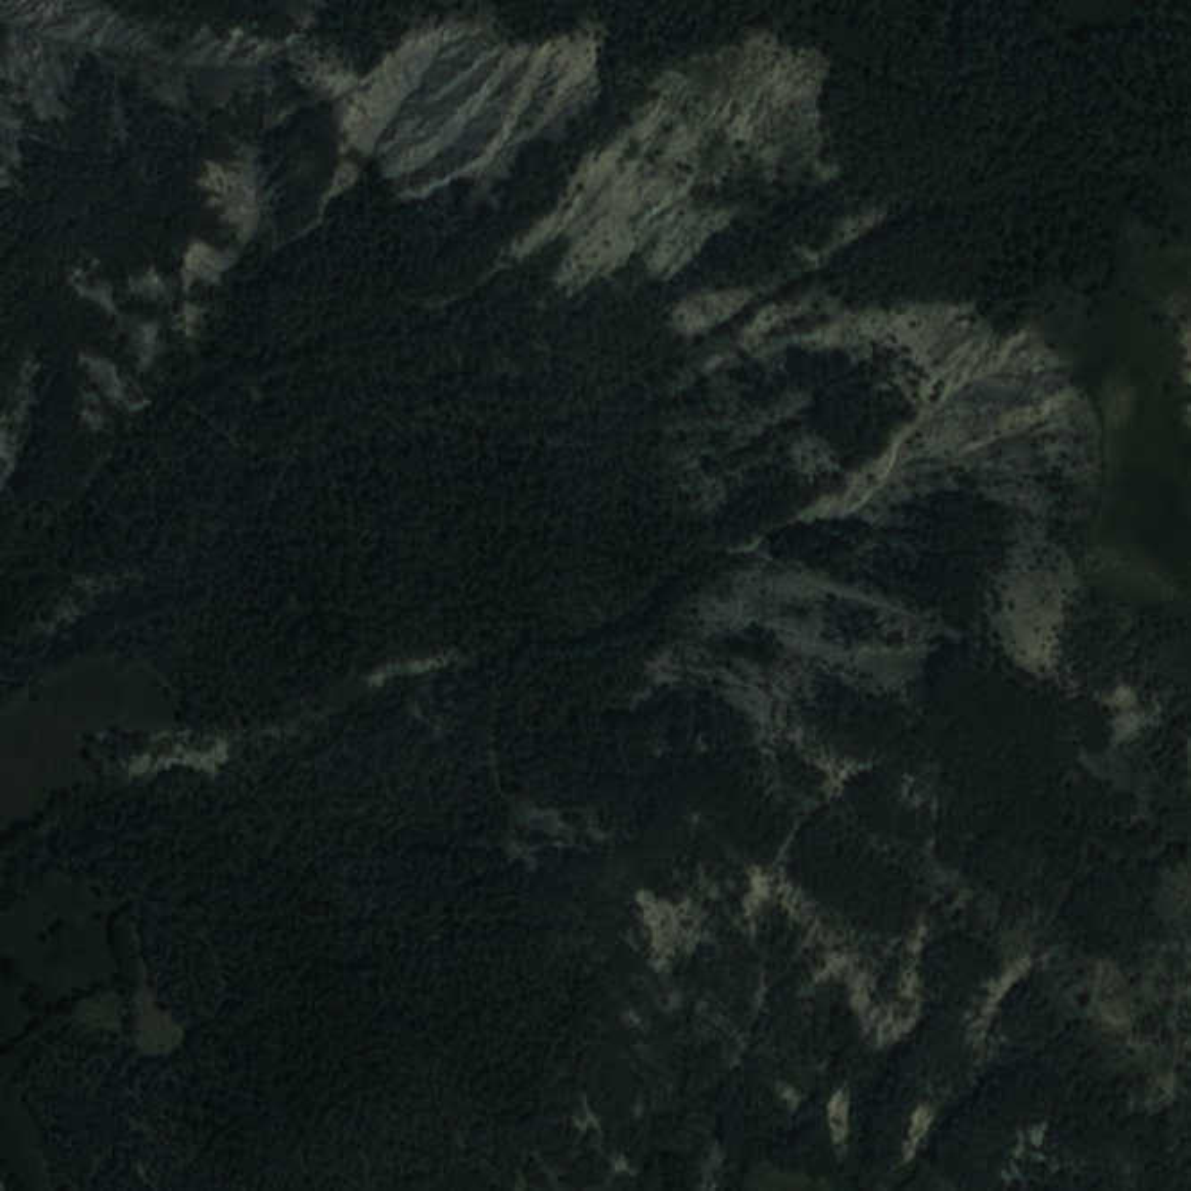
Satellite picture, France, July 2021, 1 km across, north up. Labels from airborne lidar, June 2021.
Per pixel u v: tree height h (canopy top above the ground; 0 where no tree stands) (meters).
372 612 25
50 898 0
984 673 15
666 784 19
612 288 13
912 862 12
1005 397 0
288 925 23
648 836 12
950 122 24
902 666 0
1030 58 23
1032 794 17
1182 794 11
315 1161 13
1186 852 15
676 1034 11
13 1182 14
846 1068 14
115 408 7
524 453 23
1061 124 12
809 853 17
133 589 8
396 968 23
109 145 8
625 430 18
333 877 28
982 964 15
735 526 20
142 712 0
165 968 11
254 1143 17
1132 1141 16
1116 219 0
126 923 16
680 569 8
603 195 0
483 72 0
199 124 8
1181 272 0
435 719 8
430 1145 14
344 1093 19
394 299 11
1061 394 0
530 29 11
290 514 20
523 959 17
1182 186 0
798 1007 11
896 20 22
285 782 13
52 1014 17
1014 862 10
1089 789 16
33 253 12
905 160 23
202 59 0
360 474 14
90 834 20
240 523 22
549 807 7
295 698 18
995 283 19
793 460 9
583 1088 9
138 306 12
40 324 16
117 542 17
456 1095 16
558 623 16
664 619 18
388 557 17
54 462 11
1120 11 0
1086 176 20
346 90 0
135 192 12
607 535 14
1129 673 8
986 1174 11
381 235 20
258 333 21
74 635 13
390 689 13
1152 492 0
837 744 7
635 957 8
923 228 25
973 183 23
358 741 14
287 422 16
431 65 0
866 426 20
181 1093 16
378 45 7
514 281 7
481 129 0
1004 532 14
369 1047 20
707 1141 9
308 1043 14
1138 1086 12
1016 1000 9
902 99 24
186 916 20
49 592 8
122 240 11
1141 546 0
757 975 6
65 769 0
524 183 16
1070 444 0
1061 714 15
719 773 18
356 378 23
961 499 15
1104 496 0
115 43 0
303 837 15
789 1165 13
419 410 19
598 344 22
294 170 8
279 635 8
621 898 6
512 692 11
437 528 12
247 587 23
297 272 28
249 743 6
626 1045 10
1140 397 0
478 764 7
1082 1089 23
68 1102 15
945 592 19
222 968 7
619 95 8
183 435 12
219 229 11
